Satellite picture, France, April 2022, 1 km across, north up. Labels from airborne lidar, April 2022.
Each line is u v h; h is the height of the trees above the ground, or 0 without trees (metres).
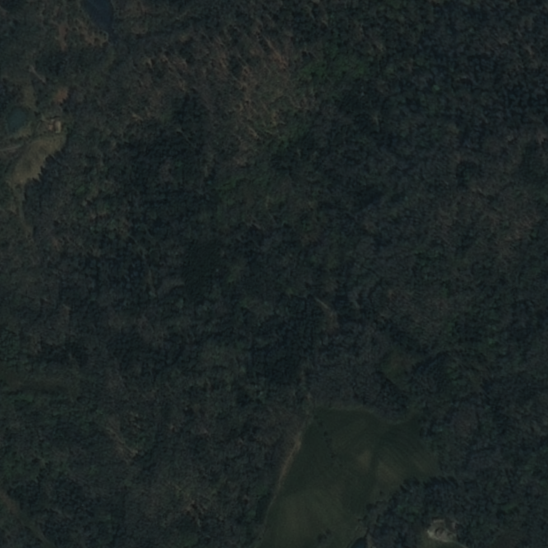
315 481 0
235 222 31
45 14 9
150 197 35
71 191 27
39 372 24
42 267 12
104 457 26
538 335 32
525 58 26
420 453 0
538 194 27
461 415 29
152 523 28
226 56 18
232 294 12
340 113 30
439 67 13
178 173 33
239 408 27
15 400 22
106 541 29
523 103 31
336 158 36
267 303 28
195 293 18
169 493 30
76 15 9
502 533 26
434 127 22
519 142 24
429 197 25
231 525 29
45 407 21
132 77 23
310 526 0
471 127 18
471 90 24
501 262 35
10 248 11
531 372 29
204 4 22
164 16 8
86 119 24
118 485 23
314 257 33
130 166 31
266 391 18
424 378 26
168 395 28
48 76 6
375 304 33
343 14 31
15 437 7
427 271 28
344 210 9
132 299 39
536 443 11
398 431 0
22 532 21
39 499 27
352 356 31
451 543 0
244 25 22
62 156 17
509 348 23
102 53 17
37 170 0
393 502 9
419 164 27
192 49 34
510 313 31
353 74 27
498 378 29
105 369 25
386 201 37
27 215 13
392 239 36
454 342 7
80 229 32
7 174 8
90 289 30
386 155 37
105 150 34
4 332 17
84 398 23
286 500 0
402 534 20
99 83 12
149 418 27
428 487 6
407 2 25
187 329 27
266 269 30
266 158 27
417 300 27
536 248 32
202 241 24
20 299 19
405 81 27
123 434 23
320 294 19
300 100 27
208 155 38
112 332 27
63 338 31
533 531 25
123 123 31
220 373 31
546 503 26
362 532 0
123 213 33
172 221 19
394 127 9
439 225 29
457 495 32
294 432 28
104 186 31
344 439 0
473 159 29
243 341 26
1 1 26
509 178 27
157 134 29
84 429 28
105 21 0
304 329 33
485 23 13
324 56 7
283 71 15
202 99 36
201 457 38
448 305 34
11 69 14
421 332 20
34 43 8
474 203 32
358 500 0
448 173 23
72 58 17
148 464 32
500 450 30
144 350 32
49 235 30
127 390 25
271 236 8
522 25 30
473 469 32
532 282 28
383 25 25
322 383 27
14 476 21
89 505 35
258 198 10
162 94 33
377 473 0
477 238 21
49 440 30
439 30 24
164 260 11
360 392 40
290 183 27
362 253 34
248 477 33
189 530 35
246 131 27
